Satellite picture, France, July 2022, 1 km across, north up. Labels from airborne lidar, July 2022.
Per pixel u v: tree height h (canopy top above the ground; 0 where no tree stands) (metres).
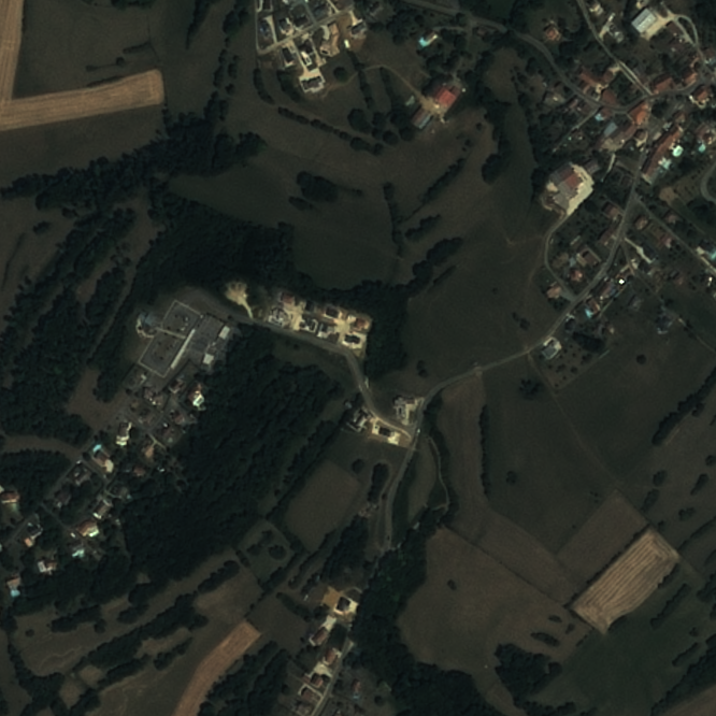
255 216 0
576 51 11
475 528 0
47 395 14
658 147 0
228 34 15
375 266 0
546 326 0
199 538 18
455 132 0
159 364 0
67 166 0
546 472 0
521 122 0
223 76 10
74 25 0
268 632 0
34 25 0
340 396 16
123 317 8
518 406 0
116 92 0
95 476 9
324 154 0
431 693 19
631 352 0
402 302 17
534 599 0
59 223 0
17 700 0
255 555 9
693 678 12
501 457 0
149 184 22
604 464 0
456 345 0
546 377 0
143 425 0
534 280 0
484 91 17
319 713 0
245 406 17
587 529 0
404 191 0
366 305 18
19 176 0
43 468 15
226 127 0
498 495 0
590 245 7
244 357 23
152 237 0
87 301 0
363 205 0
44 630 0
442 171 0
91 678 0
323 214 0
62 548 7
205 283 16
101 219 17
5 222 0
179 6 0
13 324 21
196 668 0
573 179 0
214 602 0
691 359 0
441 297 0
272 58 0
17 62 0
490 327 0
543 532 0
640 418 0
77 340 14
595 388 0
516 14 15
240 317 0
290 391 8
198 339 0
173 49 0
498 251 0
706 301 0
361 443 0
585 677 0
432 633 0
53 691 10
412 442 0
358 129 14
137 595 16
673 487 0
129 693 0
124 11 14
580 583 0
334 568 14
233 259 9
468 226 0
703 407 9
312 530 0
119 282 10
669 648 0
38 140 0
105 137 0
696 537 6
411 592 10
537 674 14
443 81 14
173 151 25
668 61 12
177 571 22
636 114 0
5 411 15
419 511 0
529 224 0
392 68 0
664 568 0
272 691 14
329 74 0
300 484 13
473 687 15
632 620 0
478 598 0
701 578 0
